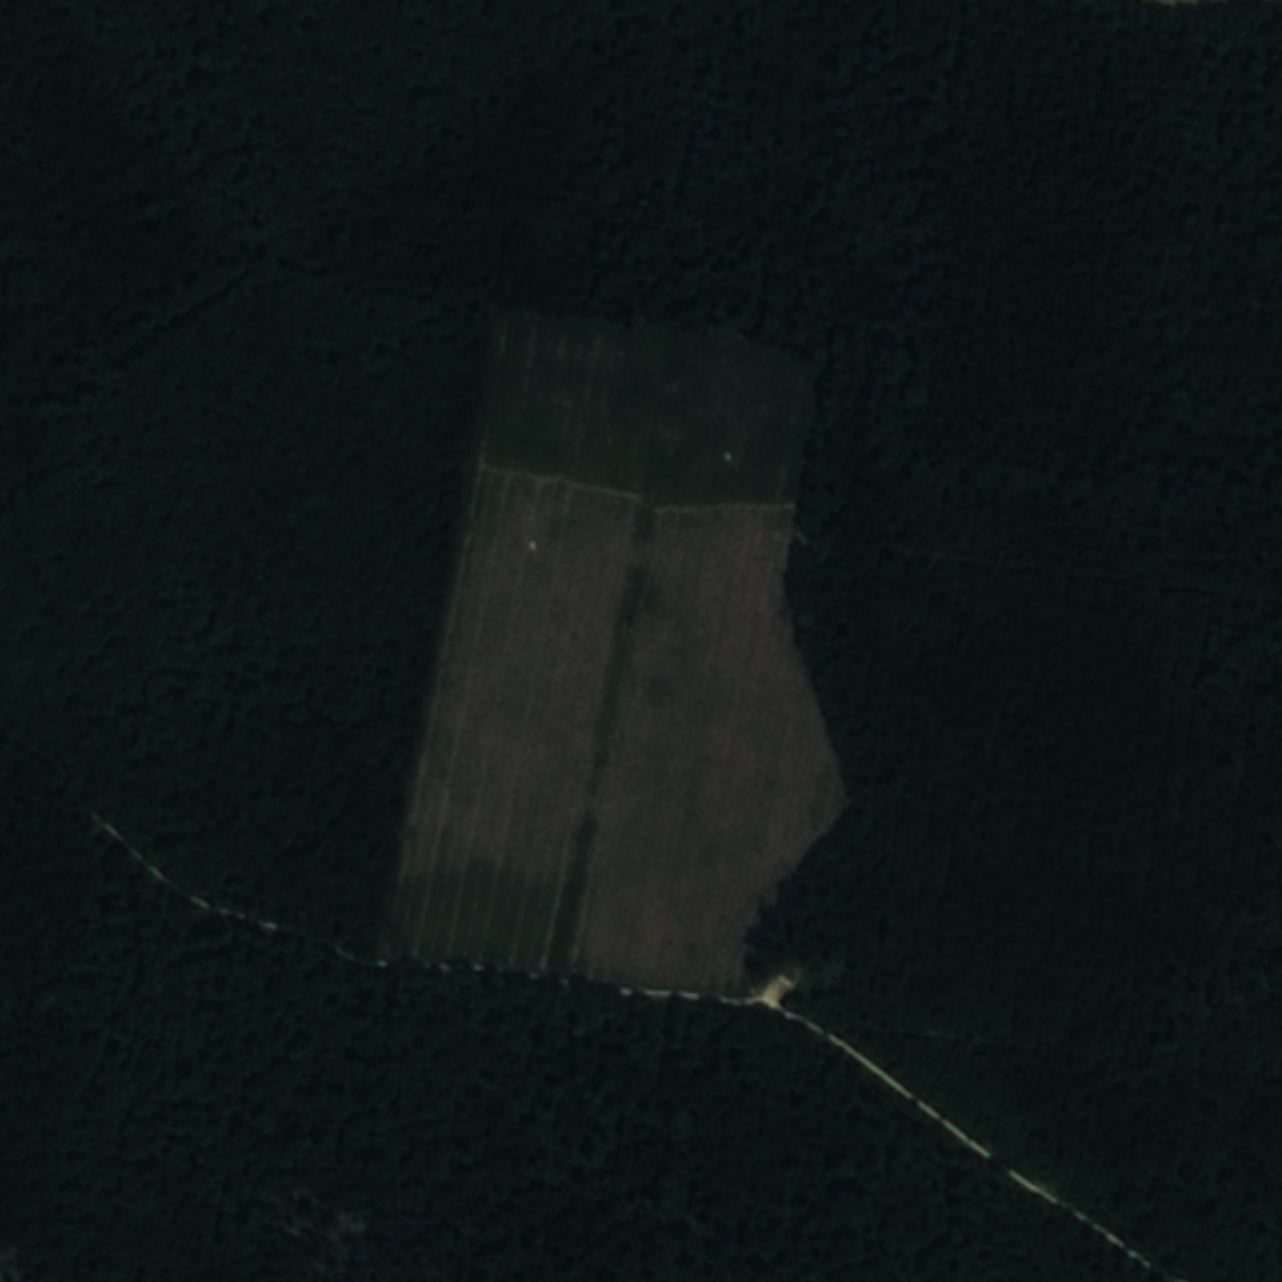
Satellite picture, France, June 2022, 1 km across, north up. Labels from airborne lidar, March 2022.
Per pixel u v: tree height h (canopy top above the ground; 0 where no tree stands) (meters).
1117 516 22
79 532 21
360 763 20
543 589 0
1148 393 17
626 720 0
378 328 19
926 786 7
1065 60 21
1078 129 21
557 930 0
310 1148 20
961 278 19
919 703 12
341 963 20
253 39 21
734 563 0
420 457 22
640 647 0
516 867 0
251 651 20
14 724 22
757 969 18
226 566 24
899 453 19
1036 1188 0
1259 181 25
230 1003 21
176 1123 21
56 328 7
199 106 20
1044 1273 23
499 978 20
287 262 22
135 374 23
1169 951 6
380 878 22
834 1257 25
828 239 9
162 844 22
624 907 0
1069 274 20
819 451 22
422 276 12
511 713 0
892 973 17
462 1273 27
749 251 22
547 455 0
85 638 17
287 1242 22
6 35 8
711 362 0
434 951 0
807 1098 19
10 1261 0
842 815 0
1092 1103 9
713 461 0
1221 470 23
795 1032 16
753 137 23
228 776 21
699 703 0
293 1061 17
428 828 0
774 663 0
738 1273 26
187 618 21
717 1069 22
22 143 23
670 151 9
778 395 0
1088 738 8
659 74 7
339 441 24
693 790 0
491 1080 24
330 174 22
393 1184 18
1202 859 5
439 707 0
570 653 0
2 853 17
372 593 19
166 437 19
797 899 26
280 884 22
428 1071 10
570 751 0
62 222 12
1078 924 8
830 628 14
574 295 12
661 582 0
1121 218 19
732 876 0
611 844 0
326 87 19
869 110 19
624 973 0
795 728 0
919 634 6
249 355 24
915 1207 23
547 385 0
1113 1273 23
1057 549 5
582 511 0
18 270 23
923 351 23
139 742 21
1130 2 14
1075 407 16
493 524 0
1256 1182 8
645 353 0
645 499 0
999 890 8
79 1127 17
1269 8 14
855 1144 16
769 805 0
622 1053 25
